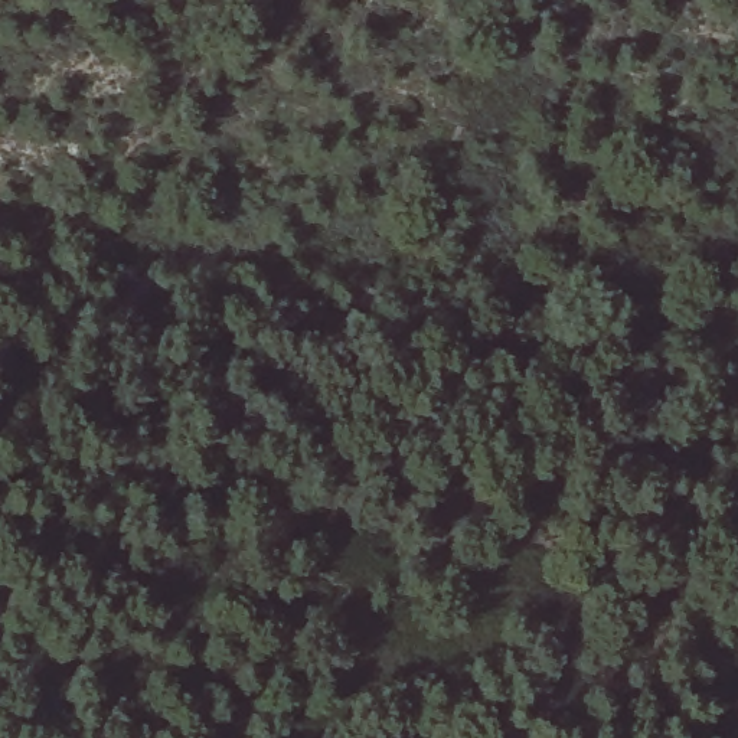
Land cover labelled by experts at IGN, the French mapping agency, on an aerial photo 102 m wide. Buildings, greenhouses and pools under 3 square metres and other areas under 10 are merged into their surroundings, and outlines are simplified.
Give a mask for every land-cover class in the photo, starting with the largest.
<instances>
[{"label":"coniferous trees","instance_id":"1","mask_svg":"<svg viewBox=\"0 0 738 738\"><path fill-rule=\"evenodd\" d=\"M0 738H738V0H0Z\"/></svg>","mask_w":738,"mask_h":738}]
</instances>
